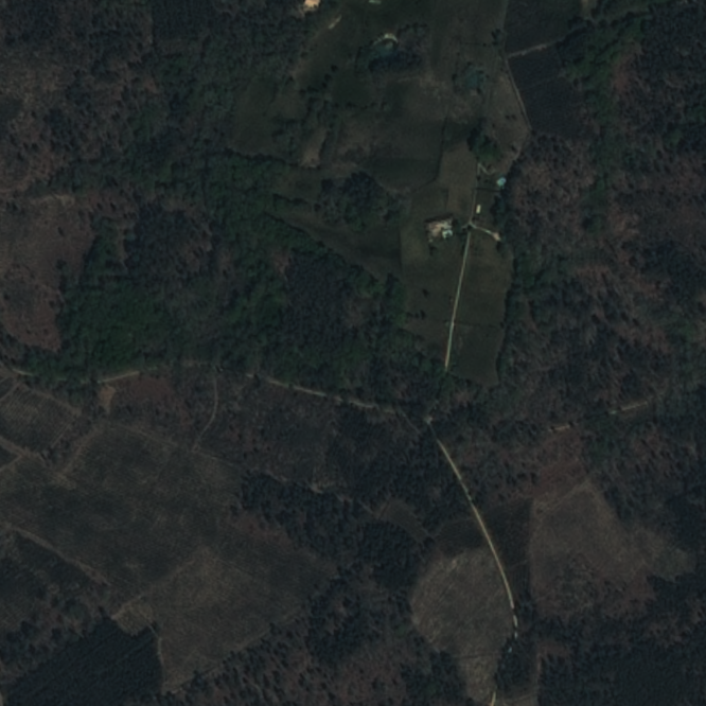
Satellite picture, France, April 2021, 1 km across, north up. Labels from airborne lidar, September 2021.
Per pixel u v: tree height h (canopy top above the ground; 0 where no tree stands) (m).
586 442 15
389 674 6
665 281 27
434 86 0
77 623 18
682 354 20
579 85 15
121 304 24
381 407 21
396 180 0
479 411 13
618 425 10
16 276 0
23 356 22
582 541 0
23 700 19
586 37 17
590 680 19
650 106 10
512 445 21
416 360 18
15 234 0
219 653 0
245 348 22
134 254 27
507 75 9
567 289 10
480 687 0
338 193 21
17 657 9
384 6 0
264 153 0
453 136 0
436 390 12
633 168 26
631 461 26
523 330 16
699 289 26
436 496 11
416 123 0
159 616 0
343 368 17
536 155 18
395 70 24
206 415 7
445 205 0
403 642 15
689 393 26
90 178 19
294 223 0
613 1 17
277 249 12
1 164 7
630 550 0
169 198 13
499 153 21
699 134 15
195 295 17
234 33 19
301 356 13
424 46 15
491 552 0
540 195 8
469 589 0
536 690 0
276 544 9
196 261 8
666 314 16
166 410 7
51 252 0
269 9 14
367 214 25
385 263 0
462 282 0
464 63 0
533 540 0
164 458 0
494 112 0
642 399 18
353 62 7
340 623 15
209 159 12
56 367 19
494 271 0
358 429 11
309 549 23
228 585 0
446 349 0
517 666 19
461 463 15
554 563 0
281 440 9
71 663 19
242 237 20
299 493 16
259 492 14
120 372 10
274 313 10
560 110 7
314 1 0
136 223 17
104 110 13
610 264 6
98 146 8
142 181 20
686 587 8
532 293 17
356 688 9
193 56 15
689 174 10
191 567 0
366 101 0
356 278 21
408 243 0
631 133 7
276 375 17
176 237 29
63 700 13
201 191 10
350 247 0
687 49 21
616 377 9
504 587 0
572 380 14
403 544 16
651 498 12
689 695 20
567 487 0
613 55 20
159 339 13
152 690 16
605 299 9
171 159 23
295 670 12
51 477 0
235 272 6
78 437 7
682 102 11
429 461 14
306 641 7
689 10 10
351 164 0
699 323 26
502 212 18
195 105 14
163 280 21
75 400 20
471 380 0
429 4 0
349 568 7
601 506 0
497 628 0
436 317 0
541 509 0
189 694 6
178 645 0
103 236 17
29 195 6
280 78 13
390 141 0
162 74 16
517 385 14
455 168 0
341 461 10
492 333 0
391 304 22
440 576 0
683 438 28
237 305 22
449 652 0
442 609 0
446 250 0
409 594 12
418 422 18
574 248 18
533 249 22
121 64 8
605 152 22
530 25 6
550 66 6
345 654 18
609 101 18
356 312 9
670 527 6
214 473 0
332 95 0
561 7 8
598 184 18
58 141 20
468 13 0
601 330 24
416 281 0
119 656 18
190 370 6
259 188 21
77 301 26
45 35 9
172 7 19
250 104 0
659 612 8
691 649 18
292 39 6
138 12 9
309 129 10
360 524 24
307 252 19
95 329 29
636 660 18
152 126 18
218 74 19
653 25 10
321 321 24
